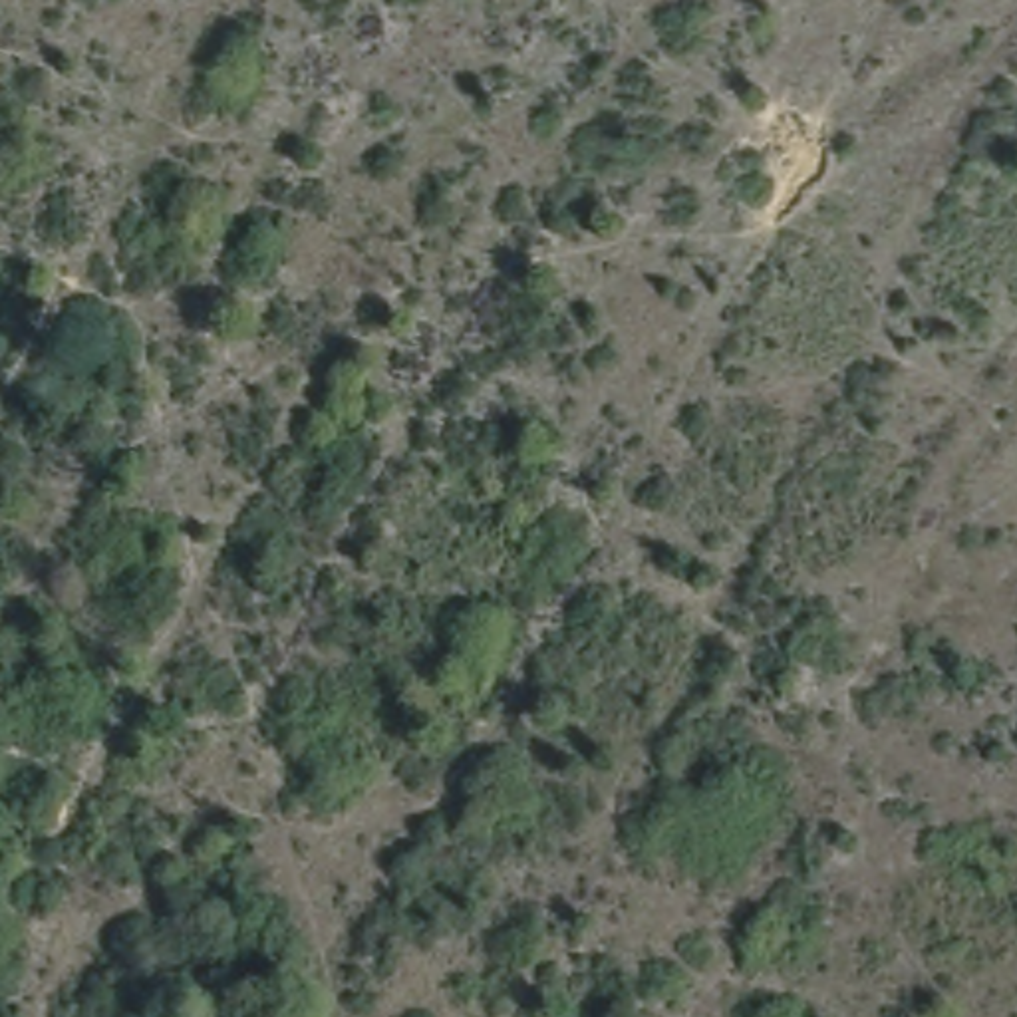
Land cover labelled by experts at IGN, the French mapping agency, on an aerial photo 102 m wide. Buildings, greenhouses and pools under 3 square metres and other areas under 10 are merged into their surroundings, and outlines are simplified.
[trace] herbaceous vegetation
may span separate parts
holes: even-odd
[[[68,985],[91,961],[99,926],[123,910],[143,906],[139,886],[79,886],[75,894],[68,890],[48,914],[28,922],[24,973],[16,993],[8,997],[20,1017],[44,1017],[52,1009],[56,989]]]
[[[314,417],[330,401],[334,369],[350,362],[377,393],[389,393],[385,413],[377,417],[377,449],[397,457],[405,445],[413,397],[429,393],[429,385],[441,377],[441,369],[449,369],[457,354],[477,354],[501,342],[501,334],[481,334],[473,314],[441,306],[445,294],[477,290],[493,278],[493,246],[509,242],[509,222],[493,215],[497,191],[509,183],[552,187],[556,163],[568,151],[568,135],[592,115],[600,115],[600,99],[584,87],[564,115],[556,115],[544,139],[532,135],[528,107],[568,75],[568,64],[576,64],[572,48],[544,36],[544,24],[552,16],[568,20],[584,32],[592,48],[604,12],[616,12],[612,52],[632,60],[640,48],[655,40],[648,12],[663,0],[0,0],[0,79],[12,79],[16,68],[36,68],[36,75],[44,79],[32,91],[24,123],[56,135],[56,163],[79,163],[72,179],[72,211],[87,215],[83,238],[75,238],[72,246],[48,246],[40,230],[24,234],[24,258],[32,262],[28,294],[44,298],[48,306],[60,306],[68,294],[87,294],[99,306],[123,310],[131,330],[143,338],[147,358],[135,362],[135,373],[147,409],[135,425],[135,445],[155,441],[163,457],[155,473],[135,473],[127,481],[119,509],[203,520],[199,540],[183,536],[163,544],[167,564],[179,568],[175,608],[151,632],[147,644],[123,655],[135,691],[147,699],[163,699],[163,679],[155,675],[155,667],[171,655],[171,644],[179,636],[199,636],[215,659],[234,659],[234,640],[242,636],[234,616],[207,608],[207,600],[199,596],[215,556],[226,544],[230,520],[238,516],[250,493],[258,493],[258,481],[226,465],[226,437],[215,417],[207,417],[211,405],[246,405],[246,385],[258,381],[274,405],[266,437],[274,445],[286,445],[290,429],[306,433],[314,425]],[[187,123],[183,95],[191,83],[191,56],[215,68],[234,40],[258,32],[278,52],[266,75],[270,99],[254,107],[250,123],[234,123],[226,115],[203,115]],[[111,218],[123,203],[143,195],[139,175],[159,159],[187,175],[187,203],[199,191],[226,191],[230,203],[254,218],[254,242],[274,226],[290,234],[290,246],[282,254],[286,266],[278,266],[278,274],[270,274],[266,286],[238,286],[234,294],[242,306],[254,306],[262,314],[254,342],[226,342],[215,330],[183,326],[179,306],[167,290],[99,294],[87,282],[91,254],[103,254],[103,262],[115,258]]]
[[[652,79],[667,91],[667,123],[711,127],[703,155],[683,155],[679,147],[671,147],[663,159],[655,159],[644,171],[644,187],[632,195],[628,215],[608,234],[584,230],[572,242],[560,230],[544,226],[532,238],[532,266],[548,266],[556,274],[560,298],[584,298],[592,306],[596,326],[616,346],[616,358],[600,369],[588,369],[580,381],[560,381],[548,362],[505,365],[465,393],[469,417],[497,421],[497,453],[512,453],[520,445],[524,465],[556,461],[544,485],[548,505],[580,512],[588,524],[588,540],[600,548],[600,560],[588,564],[576,588],[632,580],[636,592],[652,592],[655,600],[683,608],[687,624],[695,624],[703,636],[723,640],[731,648],[731,663],[711,695],[723,707],[735,703],[747,715],[747,731],[787,759],[787,783],[795,791],[795,806],[787,814],[842,826],[834,850],[818,866],[818,922],[826,938],[806,965],[783,973],[747,973],[743,965],[735,969],[735,961],[747,957],[755,918],[791,894],[787,878],[767,882],[763,870],[751,866],[743,890],[715,886],[711,894],[699,894],[695,878],[687,878],[675,866],[675,858],[659,858],[652,882],[632,874],[632,862],[616,842],[616,810],[624,810],[628,795],[644,787],[644,747],[628,751],[620,763],[604,771],[596,791],[600,806],[584,814],[576,830],[548,834],[548,858],[520,854],[493,866],[485,878],[509,902],[564,898],[584,918],[580,938],[536,942],[540,957],[552,961],[556,973],[572,973],[572,953],[608,953],[620,961],[624,973],[640,973],[644,957],[663,957],[671,965],[667,981],[659,981],[652,997],[628,1001],[636,1017],[731,1017],[747,993],[791,993],[814,1017],[945,1017],[938,1001],[953,989],[949,973],[930,977],[922,949],[910,942],[906,930],[890,922],[890,894],[898,878],[914,874],[918,866],[918,830],[910,818],[882,818],[882,802],[926,802],[934,826],[993,814],[993,826],[1009,834],[1009,842],[1017,842],[1017,0],[711,0],[711,12],[695,16],[699,48],[687,56],[663,52],[648,68]],[[791,596],[826,596],[838,616],[838,628],[858,636],[858,648],[850,652],[850,671],[822,675],[814,667],[799,667],[783,695],[767,703],[755,703],[743,691],[751,687],[751,640],[731,624],[715,620],[715,604],[731,592],[731,576],[743,564],[747,540],[759,524],[771,532],[763,556],[767,576],[779,580]],[[918,620],[930,620],[953,644],[957,655],[993,659],[997,675],[981,687],[981,695],[930,691],[922,695],[914,719],[878,719],[874,727],[866,727],[854,711],[854,691],[874,683],[878,671],[902,667],[902,624]]]
[[[393,775],[385,775],[377,787],[365,791],[362,802],[330,818],[310,818],[302,802],[290,814],[262,806],[262,799],[270,799],[282,787],[282,759],[258,735],[258,711],[266,691],[246,683],[238,711],[187,715],[171,735],[139,731],[135,795],[155,799],[163,810],[175,814],[195,814],[207,802],[215,802],[246,818],[254,830],[258,866],[266,870],[266,890],[290,902],[294,926],[310,938],[322,973],[330,977],[326,989],[334,989],[346,926],[373,898],[381,874],[377,850],[405,830],[409,814],[433,810],[445,791],[437,783],[421,783],[417,791],[405,791]]]

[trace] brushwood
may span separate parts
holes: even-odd
[[[234,40],[215,68],[191,56],[191,83],[183,95],[187,123],[203,115],[226,115],[234,123],[250,123],[254,107],[270,99],[266,75],[278,52],[258,32]]]
[[[981,687],[997,675],[993,659],[957,655],[953,644],[930,620],[918,620],[902,624],[902,667],[878,671],[874,683],[854,691],[854,711],[866,727],[874,727],[878,719],[914,719],[922,695],[930,691],[981,695]]]
[[[731,1017],[814,1017],[791,993],[747,993]]]
[[[731,576],[731,592],[715,604],[715,620],[731,624],[751,640],[751,687],[743,691],[755,703],[767,703],[783,695],[799,667],[814,667],[822,675],[850,671],[850,652],[858,648],[858,636],[838,628],[838,616],[826,596],[791,596],[779,580],[767,576],[763,556],[771,532],[759,524],[747,540],[743,564]]]
[[[552,187],[509,183],[497,191],[493,215],[509,222],[509,242],[493,246],[493,278],[477,290],[445,294],[441,306],[473,314],[481,334],[501,334],[501,342],[477,354],[457,354],[449,369],[441,369],[441,377],[429,385],[429,393],[413,397],[405,445],[397,457],[377,449],[377,417],[385,413],[389,393],[377,393],[350,362],[334,369],[330,401],[314,417],[314,425],[306,433],[290,429],[286,445],[274,445],[266,437],[274,405],[258,381],[246,385],[246,405],[211,405],[207,417],[215,417],[226,437],[226,465],[258,481],[258,493],[250,493],[238,516],[230,520],[226,544],[215,556],[199,596],[207,600],[207,608],[234,616],[242,636],[234,640],[234,659],[215,659],[199,636],[179,636],[171,644],[171,655],[155,667],[155,675],[163,679],[163,699],[147,699],[135,691],[123,655],[147,644],[151,632],[175,608],[179,568],[167,564],[163,544],[183,536],[199,540],[203,520],[119,509],[127,481],[135,473],[155,473],[163,457],[155,441],[135,445],[135,425],[147,409],[135,373],[135,362],[147,358],[143,338],[131,330],[123,310],[99,306],[87,294],[68,294],[60,306],[48,306],[44,298],[28,294],[32,262],[24,258],[24,234],[40,230],[48,246],[72,246],[75,238],[83,238],[87,215],[72,211],[72,179],[79,163],[56,163],[56,135],[24,123],[32,91],[44,79],[36,75],[36,68],[16,68],[12,79],[0,79],[0,1017],[20,1017],[8,997],[16,993],[24,973],[28,922],[48,914],[68,890],[75,894],[79,886],[139,886],[143,906],[123,910],[99,926],[91,961],[68,985],[56,989],[52,1009],[44,1017],[636,1017],[628,1001],[652,997],[659,981],[667,981],[671,965],[663,957],[644,957],[640,973],[624,973],[620,961],[608,953],[572,953],[572,973],[556,973],[552,961],[540,957],[536,942],[580,938],[584,918],[564,898],[509,902],[485,878],[493,866],[520,854],[548,858],[548,834],[576,830],[584,814],[600,806],[596,791],[604,771],[620,763],[628,751],[644,747],[644,787],[628,795],[624,810],[616,810],[616,842],[632,862],[632,874],[652,882],[659,858],[675,858],[675,866],[687,878],[695,878],[699,894],[711,894],[715,886],[743,890],[751,866],[763,870],[767,882],[787,878],[791,894],[755,918],[747,957],[735,961],[735,969],[743,965],[747,973],[783,973],[806,965],[826,938],[818,922],[818,866],[834,850],[842,826],[787,814],[795,806],[795,791],[787,783],[787,759],[747,731],[747,715],[735,703],[723,707],[711,695],[731,663],[731,648],[723,640],[703,636],[695,624],[687,624],[683,608],[655,600],[652,592],[636,592],[632,580],[576,588],[588,564],[600,560],[600,548],[588,540],[588,524],[580,512],[548,505],[544,485],[556,461],[524,465],[520,445],[512,453],[497,453],[497,421],[469,417],[465,393],[505,365],[548,362],[560,381],[580,381],[588,369],[600,369],[616,358],[616,346],[596,326],[592,306],[584,298],[560,298],[556,274],[548,266],[532,266],[532,238],[544,226],[560,230],[572,242],[584,230],[608,234],[628,215],[632,195],[644,187],[644,171],[655,159],[663,159],[671,147],[679,147],[683,155],[703,155],[711,127],[667,123],[667,91],[652,79],[648,68],[663,52],[687,56],[699,48],[695,16],[711,12],[711,0],[663,0],[648,12],[655,40],[640,48],[632,60],[612,52],[616,12],[604,12],[592,48],[584,32],[568,20],[552,16],[544,24],[544,36],[572,48],[576,64],[568,64],[568,75],[528,107],[532,135],[544,139],[556,115],[564,115],[584,87],[600,99],[600,115],[592,115],[568,135],[568,151],[556,163]],[[270,799],[262,799],[262,806],[290,814],[302,802],[310,818],[330,818],[362,802],[365,791],[377,787],[385,775],[393,775],[405,791],[417,791],[421,783],[437,783],[445,791],[433,810],[409,814],[405,830],[377,850],[381,874],[373,898],[346,926],[334,989],[326,989],[330,977],[322,973],[310,938],[294,926],[290,902],[266,890],[266,870],[258,866],[254,830],[246,818],[215,802],[207,802],[195,814],[175,814],[163,810],[155,799],[135,795],[139,731],[171,735],[187,715],[238,711],[246,683],[266,691],[258,711],[258,735],[282,759],[282,787]]]
[[[922,949],[930,977],[949,973],[953,989],[938,1001],[945,1017],[1017,1017],[1017,842],[1009,842],[1009,834],[993,826],[993,814],[934,826],[926,802],[882,802],[882,818],[910,818],[918,830],[918,866],[914,874],[898,878],[890,894],[890,922],[906,930],[910,942]]]
[[[215,330],[226,342],[254,342],[262,314],[254,306],[242,306],[234,294],[238,286],[266,286],[270,274],[278,274],[278,266],[286,266],[282,254],[290,246],[290,234],[274,226],[254,242],[254,218],[230,203],[226,191],[199,191],[187,203],[187,175],[159,159],[139,175],[143,195],[123,203],[111,218],[115,258],[103,262],[103,254],[91,254],[87,282],[99,294],[167,290],[179,306],[183,326]]]

